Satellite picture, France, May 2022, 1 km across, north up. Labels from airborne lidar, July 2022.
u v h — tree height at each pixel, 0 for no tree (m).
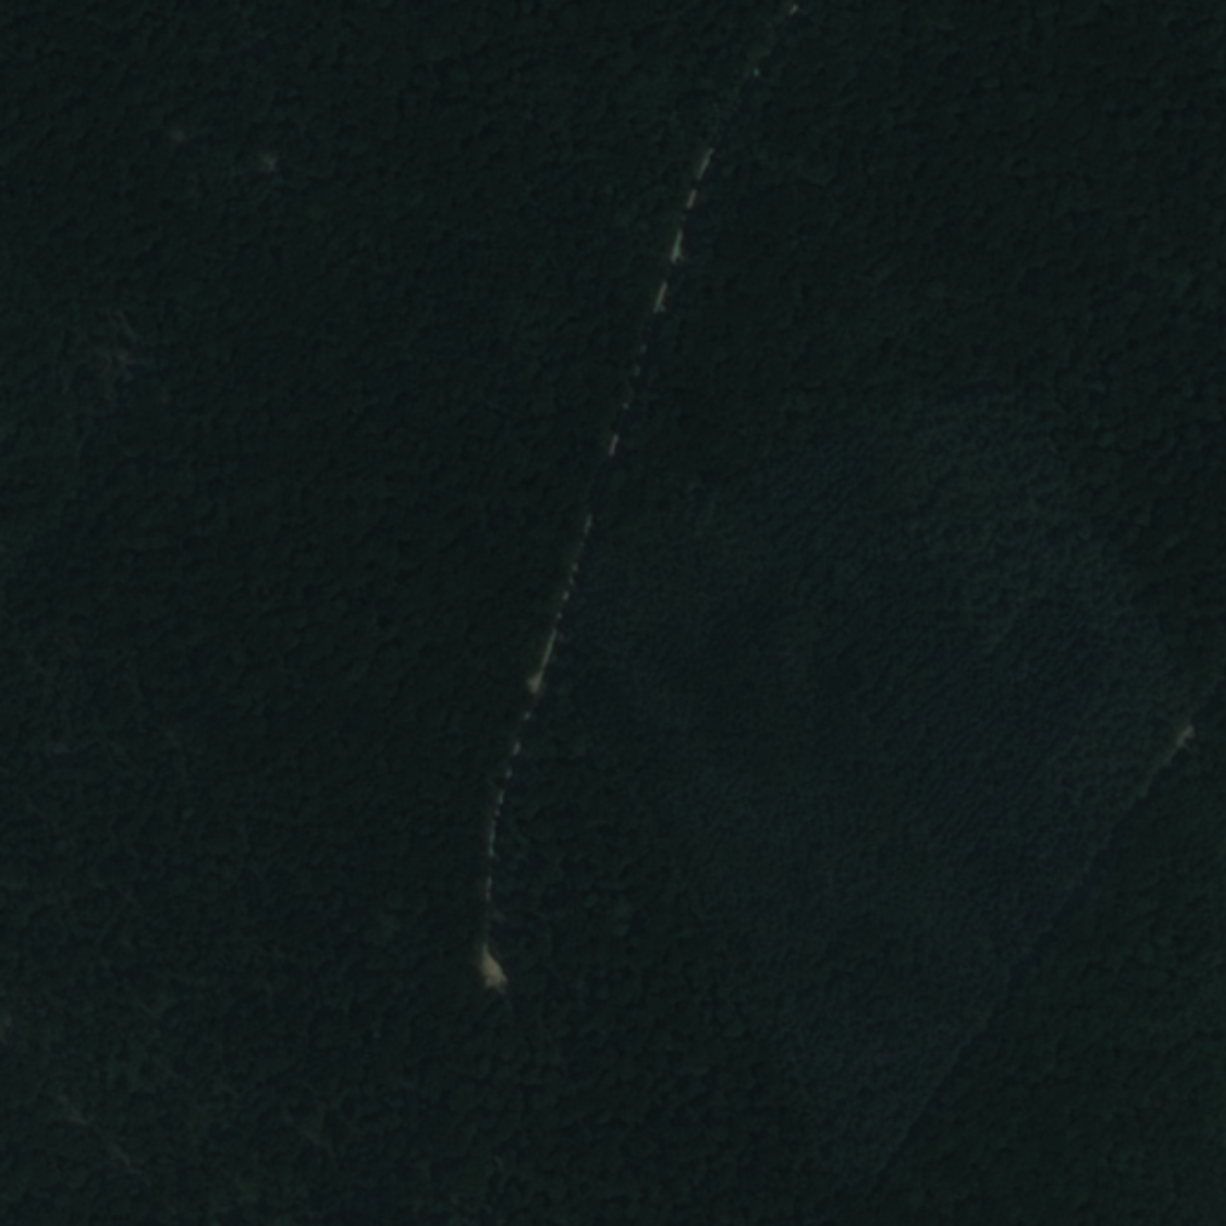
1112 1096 25
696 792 30
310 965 18
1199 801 23
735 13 29
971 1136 24
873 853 27
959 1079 27
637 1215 31
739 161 19
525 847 30
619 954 25
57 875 24
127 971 10
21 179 23
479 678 22
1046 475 22
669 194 23
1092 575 26
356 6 28
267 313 23
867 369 25
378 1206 30
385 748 21
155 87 22
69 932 22
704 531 20
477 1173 31
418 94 30
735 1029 27
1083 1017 25
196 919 26
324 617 28
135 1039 21
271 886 24
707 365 20
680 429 27
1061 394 20
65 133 26
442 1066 31
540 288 23
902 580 24
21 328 23
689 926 22
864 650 23
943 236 27
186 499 25
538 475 24
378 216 25
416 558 27
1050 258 17
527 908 29
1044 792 25
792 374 20
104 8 29
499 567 28
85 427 22
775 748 28
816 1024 29
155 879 25
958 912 28
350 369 22
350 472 20
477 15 30
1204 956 19
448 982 30
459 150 23
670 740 32
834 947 28
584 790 29
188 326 25
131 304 25
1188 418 29
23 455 18
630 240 25
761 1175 26
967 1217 26
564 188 31
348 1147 17
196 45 25
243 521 29
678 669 28
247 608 28
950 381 10
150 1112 16
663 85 22
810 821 25
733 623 31
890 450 22
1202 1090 23
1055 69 25
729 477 21
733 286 24
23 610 28
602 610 26
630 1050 26
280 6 28
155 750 20
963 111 26
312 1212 18
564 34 27
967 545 29
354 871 24
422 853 24
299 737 23
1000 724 25
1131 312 26
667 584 24
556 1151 29
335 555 30
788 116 27
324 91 28
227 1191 22
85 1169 20
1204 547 25
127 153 28
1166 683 32
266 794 23
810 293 21
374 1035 21
